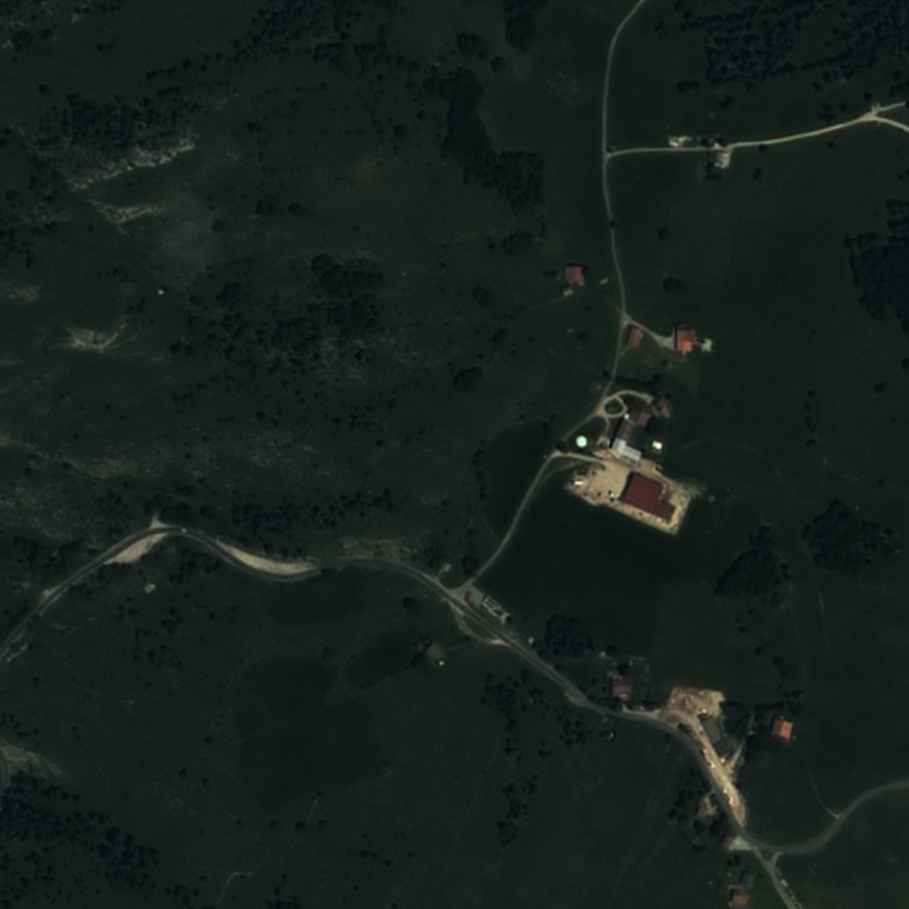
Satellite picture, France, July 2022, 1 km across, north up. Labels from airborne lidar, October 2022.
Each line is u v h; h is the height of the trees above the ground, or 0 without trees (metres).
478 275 0
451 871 0
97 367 0
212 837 0
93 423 0
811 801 0
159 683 0
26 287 0
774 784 0
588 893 0
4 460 0
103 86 0
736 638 0
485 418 0
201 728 0
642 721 0
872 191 0
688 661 0
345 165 0
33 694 0
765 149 14
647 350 0
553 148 0
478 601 0
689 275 0
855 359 0
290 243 0
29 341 0
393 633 0
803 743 0
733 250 0
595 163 0
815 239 0
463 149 11
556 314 0
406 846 0
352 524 0
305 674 0
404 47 0
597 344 0
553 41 0
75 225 0
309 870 0
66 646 0
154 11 0
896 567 0
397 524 0
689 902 0
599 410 0
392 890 0
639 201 0
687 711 0
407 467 0
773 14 8
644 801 0
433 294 0
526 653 0
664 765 0
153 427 0
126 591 0
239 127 0
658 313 0
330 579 12
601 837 0
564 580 0
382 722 0
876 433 0
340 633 0
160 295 0
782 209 0
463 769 0
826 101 0
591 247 0
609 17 0
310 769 0
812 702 0
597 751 0
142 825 0
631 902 0
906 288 18
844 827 0
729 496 0
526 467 0
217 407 0
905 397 0
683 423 0
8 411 0
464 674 0
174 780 0
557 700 0
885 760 0
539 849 0
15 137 7
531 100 0
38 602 0
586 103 0
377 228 0
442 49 0
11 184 0
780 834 0
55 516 0
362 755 0
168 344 0
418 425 0
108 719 0
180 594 0
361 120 0
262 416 14
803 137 0
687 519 0
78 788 0
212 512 14
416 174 0
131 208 0
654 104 0
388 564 0
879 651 0
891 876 0
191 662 0
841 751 0
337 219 0
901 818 0
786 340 0
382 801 0
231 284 7
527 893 0
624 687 0
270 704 0
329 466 0
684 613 0
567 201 0
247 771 0
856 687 0
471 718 0
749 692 0
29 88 0
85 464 0
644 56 0
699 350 0
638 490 0
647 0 0
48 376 0
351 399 0
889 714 0
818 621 0
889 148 0
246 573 0
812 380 0
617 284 0
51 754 0
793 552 0
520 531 0
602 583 0
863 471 0
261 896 0
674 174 0
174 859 0
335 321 7
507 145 0
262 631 0
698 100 0
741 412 0
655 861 0
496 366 0
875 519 0
